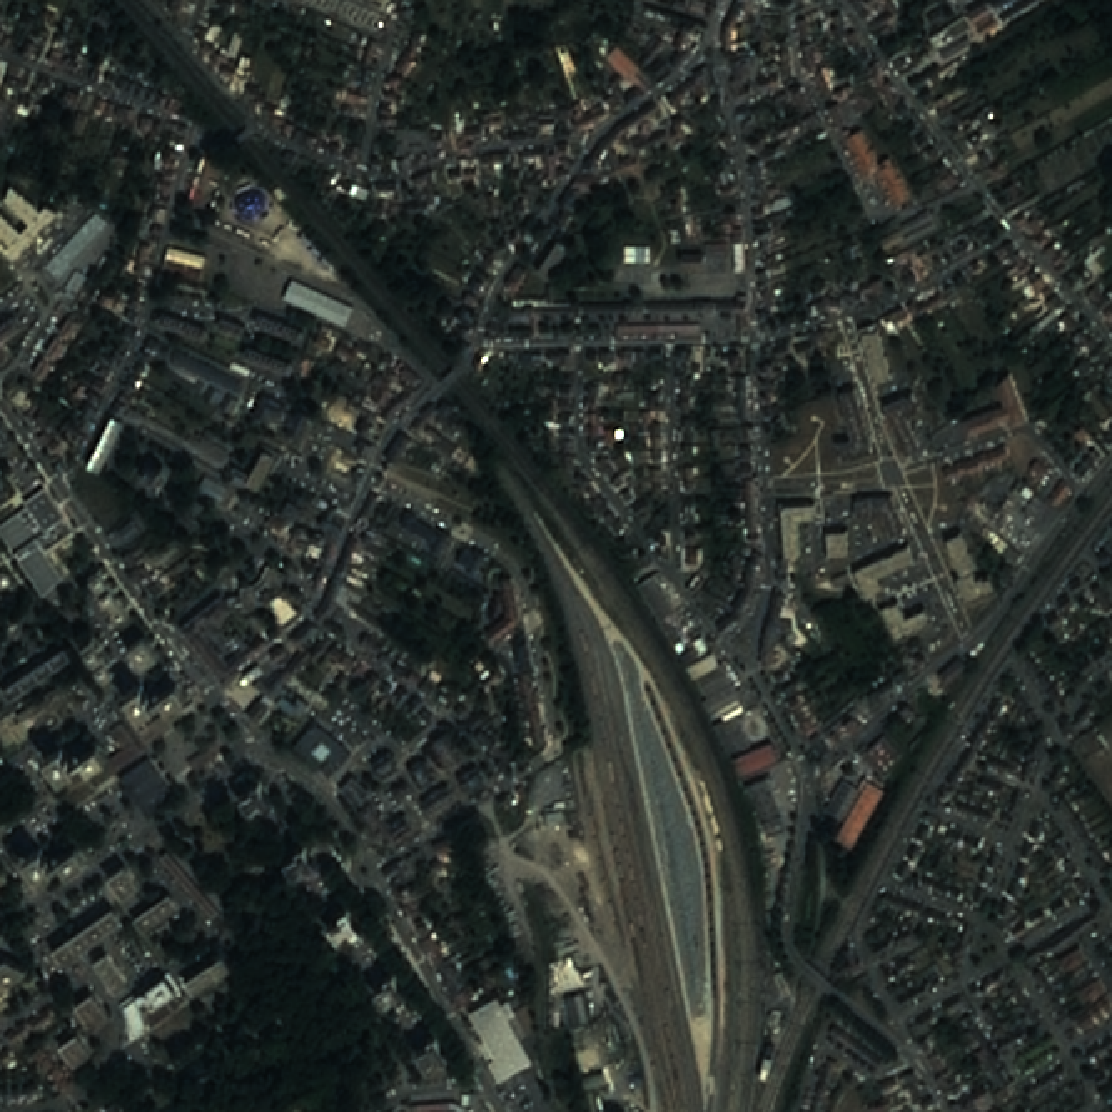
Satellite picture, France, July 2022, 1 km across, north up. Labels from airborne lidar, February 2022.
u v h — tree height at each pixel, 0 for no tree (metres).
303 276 0
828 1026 0
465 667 6
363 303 0
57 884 10
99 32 12
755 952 0
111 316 5
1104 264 0
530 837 0
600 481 0
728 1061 0
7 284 0
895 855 0
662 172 10
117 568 0
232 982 20
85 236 0
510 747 10
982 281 0
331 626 9
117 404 0
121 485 11
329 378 7
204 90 0
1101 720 7
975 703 0
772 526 0
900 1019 0
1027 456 0
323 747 0
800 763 0
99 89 0
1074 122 0
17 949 13
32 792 7
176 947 16
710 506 6
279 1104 20
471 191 9
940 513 0
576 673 8
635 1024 0
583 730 10
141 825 0
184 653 0
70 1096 0
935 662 0
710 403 5
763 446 0
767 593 0
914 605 0
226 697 0
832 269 0
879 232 8
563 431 0
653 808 0
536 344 0
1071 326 0
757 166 0
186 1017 0
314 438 0
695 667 0
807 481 0
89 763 0
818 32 0
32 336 0
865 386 0
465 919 6
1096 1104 0
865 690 7
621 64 0
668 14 6
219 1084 14
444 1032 23
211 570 10
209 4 0
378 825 0
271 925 18
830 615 8
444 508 0
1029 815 0
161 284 12
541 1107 0
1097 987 0
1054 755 12
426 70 0
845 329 0
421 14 13
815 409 0
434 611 12
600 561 0
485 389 0
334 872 23
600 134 0
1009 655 0
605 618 0
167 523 21
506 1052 0
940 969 0
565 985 0
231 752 11
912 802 0
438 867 0
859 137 0
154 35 0
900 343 9
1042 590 0
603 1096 0
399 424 0
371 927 22
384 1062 16
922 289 0
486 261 0
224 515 0
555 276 23
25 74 0
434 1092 0
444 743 0
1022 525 0
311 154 0
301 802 23
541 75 18
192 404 0
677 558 0
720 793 0
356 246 6
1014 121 0
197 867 19
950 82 6
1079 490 0
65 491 0
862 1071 0
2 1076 9
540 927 0
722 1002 0
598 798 0
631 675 0
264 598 0
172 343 16
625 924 0
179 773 0
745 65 0
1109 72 0
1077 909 0
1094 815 0
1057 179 0
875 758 0
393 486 0
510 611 0
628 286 0
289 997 26
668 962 0
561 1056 0
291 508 0
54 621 13
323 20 12
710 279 0
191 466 24
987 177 0
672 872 0
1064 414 7
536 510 0
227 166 12
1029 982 0
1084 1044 0
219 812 25
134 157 11
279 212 0
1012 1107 0
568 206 0
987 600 0
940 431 0
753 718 0
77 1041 0
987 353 6
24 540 0
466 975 11
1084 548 0
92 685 13
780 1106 0
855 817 0
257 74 0
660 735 0
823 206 8
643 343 0
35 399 8
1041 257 0
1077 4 11
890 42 8
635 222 13
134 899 0
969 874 0
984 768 8
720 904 0
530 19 12
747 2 0
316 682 0
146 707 0
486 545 0
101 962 0
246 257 0
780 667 0
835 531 0
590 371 0
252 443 0
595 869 0
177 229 12
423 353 0
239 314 0
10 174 9
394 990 0
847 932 0
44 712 0
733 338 0
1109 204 7
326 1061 19
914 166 7
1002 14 0
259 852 22
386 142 8
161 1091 15
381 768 0
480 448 14
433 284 17
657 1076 0
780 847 0
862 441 0
